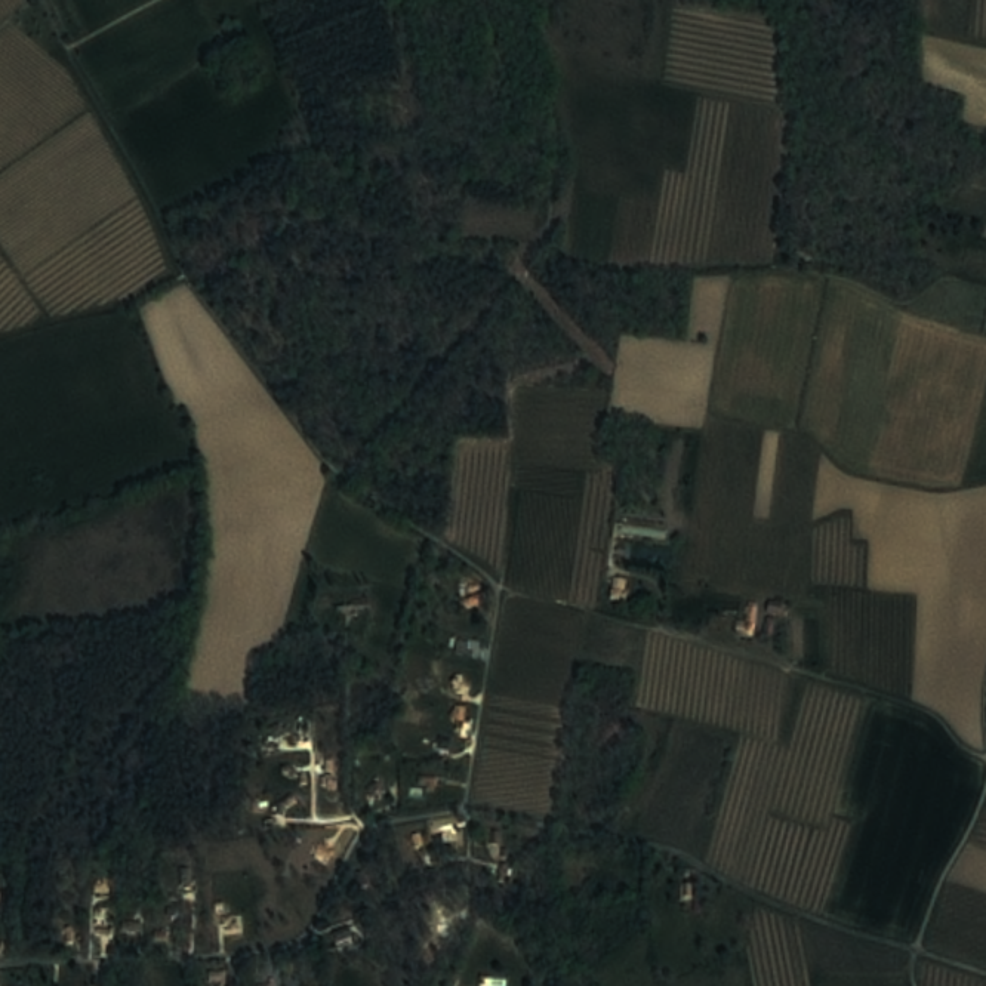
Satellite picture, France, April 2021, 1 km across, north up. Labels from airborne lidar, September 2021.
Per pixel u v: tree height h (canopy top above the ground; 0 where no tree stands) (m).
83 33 0
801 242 15
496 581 0
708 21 0
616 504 7
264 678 16
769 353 0
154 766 22
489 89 25
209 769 24
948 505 0
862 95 18
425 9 24
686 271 15
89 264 0
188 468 14
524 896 22
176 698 21
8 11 0
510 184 14
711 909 12
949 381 0
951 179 17
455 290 22
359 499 20
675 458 0
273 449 0
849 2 19
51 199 0
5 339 0
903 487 0
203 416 0
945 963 0
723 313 0
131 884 22
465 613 16
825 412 0
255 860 0
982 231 12
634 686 10
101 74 0
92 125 0
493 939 0
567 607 0
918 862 0
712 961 6
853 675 0
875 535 0
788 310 0
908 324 0
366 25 12
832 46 18
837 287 0
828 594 0
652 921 15
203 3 0
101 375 0
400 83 11
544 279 22
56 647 21
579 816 6
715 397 0
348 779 16
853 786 0
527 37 24
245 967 21
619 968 0
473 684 0
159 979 0
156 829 24
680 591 12
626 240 0
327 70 14
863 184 21
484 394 13
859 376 0
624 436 20
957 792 0
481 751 0
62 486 0
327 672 20
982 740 0
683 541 11
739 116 0
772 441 0
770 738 0
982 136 6
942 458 0
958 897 0
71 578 0
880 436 0
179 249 11
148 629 23
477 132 20
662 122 0
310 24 12
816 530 0
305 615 0
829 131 18
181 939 12
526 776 0
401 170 10
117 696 20
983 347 0
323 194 21
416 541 0
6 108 0
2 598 6
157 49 0
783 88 16
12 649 21
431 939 14
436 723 0
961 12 0
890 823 0
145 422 0
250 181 17
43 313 0
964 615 0
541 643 0
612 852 18
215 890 0
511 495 0
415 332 14
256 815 0
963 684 0
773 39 0
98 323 0
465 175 22
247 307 12
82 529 0
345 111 16
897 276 17
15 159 0
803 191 10
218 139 0
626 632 0
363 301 14
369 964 17
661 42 0
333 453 15
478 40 24
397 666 10
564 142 8
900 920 0
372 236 15
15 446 0
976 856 0
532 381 0
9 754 19
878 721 0
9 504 0
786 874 0
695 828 0
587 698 6
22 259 0
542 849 17
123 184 0
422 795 0
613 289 19
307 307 19
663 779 0
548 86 22
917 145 14
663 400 0
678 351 0
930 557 0
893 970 0
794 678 0
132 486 15
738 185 0
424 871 9
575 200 0
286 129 13
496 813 13
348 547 0
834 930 0
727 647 0
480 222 0
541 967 18
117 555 0
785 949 0
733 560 0
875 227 10
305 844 0
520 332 20
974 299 0
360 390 19
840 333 0
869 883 0
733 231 0
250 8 0
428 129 19
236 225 23
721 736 0
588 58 0
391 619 0
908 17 22
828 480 0
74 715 16
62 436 0
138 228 0
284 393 18
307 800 0
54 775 11
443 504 19
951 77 0
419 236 17
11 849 21
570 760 24
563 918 21
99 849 18
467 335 7
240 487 0
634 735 26
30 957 12
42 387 0
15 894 19
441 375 24
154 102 0
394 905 11
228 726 19
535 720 0
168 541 0
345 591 0
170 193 0
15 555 0
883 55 12
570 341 19
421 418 17
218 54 18
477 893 15
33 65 0
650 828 0
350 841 0
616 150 0
